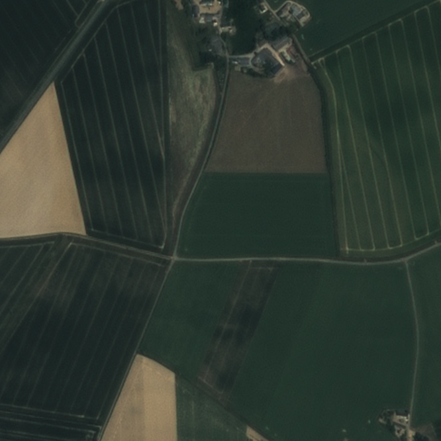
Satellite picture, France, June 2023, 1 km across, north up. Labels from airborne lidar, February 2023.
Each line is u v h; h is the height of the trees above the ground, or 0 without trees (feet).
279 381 0
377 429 0
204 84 0
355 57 0
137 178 0
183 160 0
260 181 0
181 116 0
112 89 0
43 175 0
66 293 0
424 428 0
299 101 0
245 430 0
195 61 0
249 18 0
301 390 0
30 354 0
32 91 0
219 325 0
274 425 0
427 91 0
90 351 0
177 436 0
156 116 0
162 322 0
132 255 0
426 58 0
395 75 0
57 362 0
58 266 0
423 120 0
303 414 0
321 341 0
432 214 0
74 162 0
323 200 0
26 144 0
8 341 0
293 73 0
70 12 0
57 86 0
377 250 0
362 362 0
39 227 0
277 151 0
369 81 0
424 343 0
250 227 0
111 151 0
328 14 0
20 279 0
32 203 0
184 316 0
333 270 0
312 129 0
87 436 0
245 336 0
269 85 0
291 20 0
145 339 0
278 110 0
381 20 0
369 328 0
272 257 0
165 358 0
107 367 0
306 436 0
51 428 0
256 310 0
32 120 0
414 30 0
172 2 27
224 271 0
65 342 0
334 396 0
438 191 0
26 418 0
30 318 0
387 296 0
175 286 0
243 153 0
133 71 0
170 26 0
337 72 0
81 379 0
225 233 0
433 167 0
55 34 0
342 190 0
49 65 0
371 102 0
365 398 0
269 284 0
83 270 0
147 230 0
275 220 0
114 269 0
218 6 0
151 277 0
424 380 0
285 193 0
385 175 0
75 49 0
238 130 0
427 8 0
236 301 0
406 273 0
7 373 0
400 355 0
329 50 0
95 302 0
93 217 0
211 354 0
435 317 0
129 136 0
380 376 0
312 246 0
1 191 0
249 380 0
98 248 0
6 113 0
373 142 0
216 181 0
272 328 0
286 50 0
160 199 0
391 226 0
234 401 0
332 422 0
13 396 0
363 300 0
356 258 0
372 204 0
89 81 0
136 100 0
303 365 0
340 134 0
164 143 0
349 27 0
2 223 0
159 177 0
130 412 0
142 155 0
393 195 0
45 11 0
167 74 0
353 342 0
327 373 0
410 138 0
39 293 0
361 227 0
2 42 0
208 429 0
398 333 0
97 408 0
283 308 0
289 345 0
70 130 0
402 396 0
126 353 0
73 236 0
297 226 0
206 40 24
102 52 0
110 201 0
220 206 0
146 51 0
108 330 0
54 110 0
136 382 0
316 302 0
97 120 0
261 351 0
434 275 0
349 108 0
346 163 0
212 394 0
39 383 0
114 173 0
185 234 0
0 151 0
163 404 0
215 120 0
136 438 0
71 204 0
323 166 0
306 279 0
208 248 0
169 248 0
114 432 0
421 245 0
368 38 0
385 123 0
